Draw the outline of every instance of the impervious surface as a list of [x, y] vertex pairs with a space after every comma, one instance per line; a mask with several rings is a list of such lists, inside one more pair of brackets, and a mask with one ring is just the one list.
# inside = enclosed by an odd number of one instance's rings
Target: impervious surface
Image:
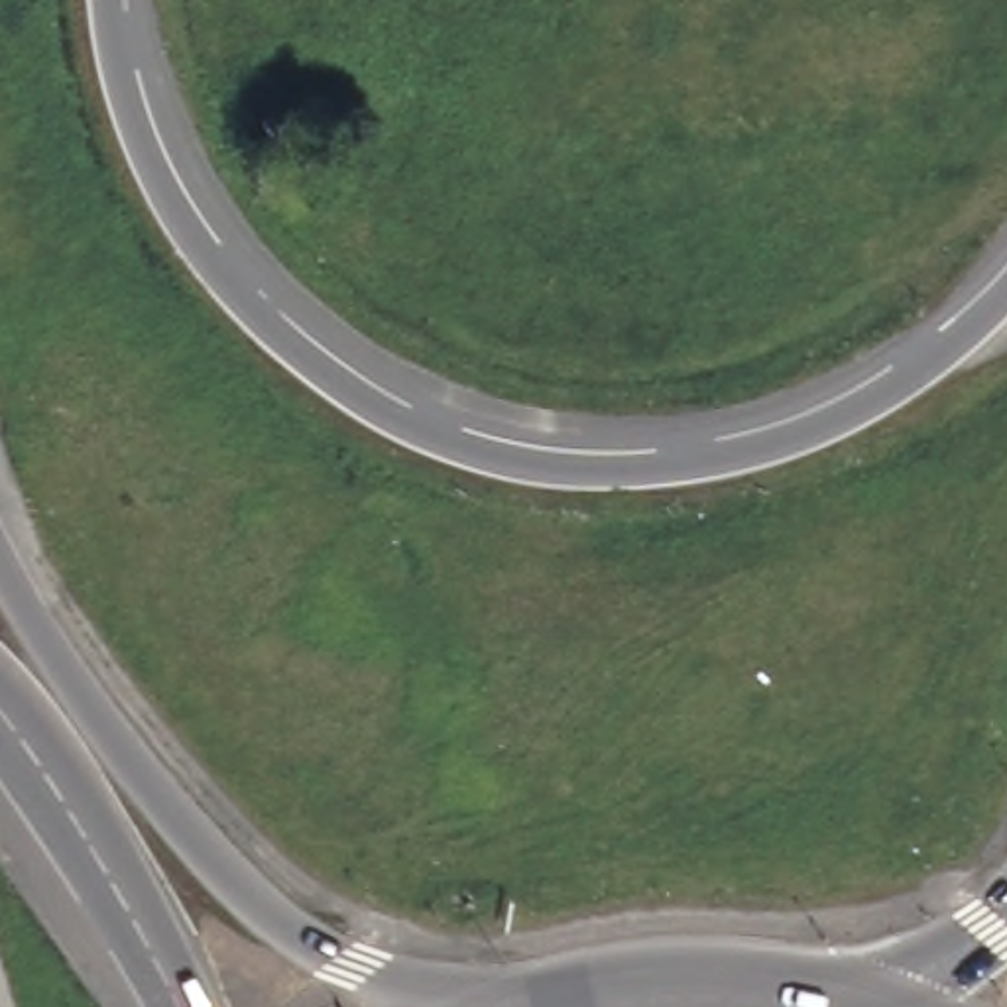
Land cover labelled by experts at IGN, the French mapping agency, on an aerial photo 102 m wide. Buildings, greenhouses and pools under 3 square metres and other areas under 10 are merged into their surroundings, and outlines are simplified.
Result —
[[295, 865], [244, 814], [244, 806], [205, 771], [205, 763], [165, 724], [165, 716], [146, 700], [138, 681], [118, 665], [98, 625], [79, 610], [71, 594], [63, 594], [59, 570], [43, 555], [43, 543], [35, 535], [24, 492], [8, 468], [8, 452], [0, 441], [0, 869], [8, 873], [24, 905], [35, 913], [35, 920], [67, 956], [67, 964], [75, 968], [75, 976], [98, 1007], [1007, 1007], [1007, 810], [999, 814], [995, 830], [972, 850], [972, 858], [869, 905], [771, 913], [677, 905], [574, 917], [563, 924], [515, 932], [437, 932], [409, 917], [358, 905], [326, 881], [311, 877], [303, 865]]
[[665, 492], [740, 480], [826, 452], [889, 421], [952, 374], [1007, 350], [1007, 224], [995, 232], [979, 264], [964, 275], [964, 283], [932, 319], [920, 319], [909, 330], [889, 334], [869, 350], [858, 350], [850, 362], [818, 378], [802, 378], [755, 401], [665, 417], [598, 417], [500, 401], [370, 342], [271, 256], [271, 248], [256, 236], [240, 205], [232, 201], [228, 185], [216, 177], [197, 138], [197, 122], [181, 94], [181, 79], [165, 55], [157, 0], [83, 0], [94, 79], [110, 134], [118, 142], [118, 153], [134, 177], [146, 212], [153, 216], [177, 264], [212, 299], [212, 307], [303, 389], [323, 397], [354, 425], [378, 433], [382, 441], [425, 460], [437, 460], [444, 468], [543, 492]]

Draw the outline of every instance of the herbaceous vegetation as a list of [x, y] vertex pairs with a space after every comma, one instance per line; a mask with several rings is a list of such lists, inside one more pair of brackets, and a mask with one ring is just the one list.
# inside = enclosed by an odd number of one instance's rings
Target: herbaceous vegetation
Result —
[[677, 905], [771, 913], [869, 905], [972, 858], [972, 850], [995, 830], [999, 814], [1007, 810], [1007, 350], [952, 374], [889, 421], [826, 452], [740, 480], [665, 492], [543, 492], [444, 468], [437, 460], [425, 460], [382, 441], [378, 433], [354, 425], [323, 397], [303, 389], [212, 307], [212, 299], [177, 264], [153, 216], [146, 212], [134, 177], [118, 153], [118, 142], [110, 134], [94, 79], [83, 0], [0, 0], [0, 441], [8, 452], [8, 468], [24, 492], [35, 535], [43, 543], [43, 555], [59, 570], [63, 594], [71, 594], [79, 610], [98, 625], [118, 665], [138, 681], [146, 700], [165, 716], [165, 724], [205, 763], [205, 771], [244, 806], [244, 814], [295, 865], [303, 865], [311, 877], [326, 881], [358, 905], [409, 917], [437, 932], [515, 932], [563, 924], [574, 917]]
[[[370, 342], [500, 401], [598, 417], [665, 417], [755, 401], [802, 378], [818, 378], [850, 362], [858, 350], [869, 350], [889, 334], [909, 330], [920, 319], [932, 319], [964, 283], [964, 275], [979, 264], [995, 232], [1007, 224], [1007, 0], [157, 0], [165, 55], [181, 79], [181, 94], [197, 122], [197, 138], [216, 177], [228, 185], [232, 201], [240, 205], [256, 236], [271, 248], [271, 256]], [[248, 173], [244, 153], [264, 149], [267, 130], [283, 118], [303, 126], [338, 126], [350, 110], [362, 110], [366, 102], [374, 110], [370, 138], [382, 146], [385, 157], [382, 185], [358, 193], [334, 216], [291, 220], [267, 208], [267, 193]]]
[[67, 956], [35, 920], [35, 913], [24, 905], [8, 873], [0, 869], [0, 1007], [98, 1007], [75, 976], [75, 968], [67, 964]]

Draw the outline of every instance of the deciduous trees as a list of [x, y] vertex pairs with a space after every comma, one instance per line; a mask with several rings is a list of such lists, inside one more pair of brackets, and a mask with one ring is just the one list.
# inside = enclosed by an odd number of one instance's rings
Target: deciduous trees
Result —
[[267, 130], [264, 149], [244, 153], [248, 173], [267, 193], [267, 208], [291, 220], [334, 216], [358, 193], [382, 185], [385, 157], [382, 146], [370, 138], [374, 110], [366, 102], [362, 110], [350, 110], [338, 126], [303, 126], [283, 118]]

